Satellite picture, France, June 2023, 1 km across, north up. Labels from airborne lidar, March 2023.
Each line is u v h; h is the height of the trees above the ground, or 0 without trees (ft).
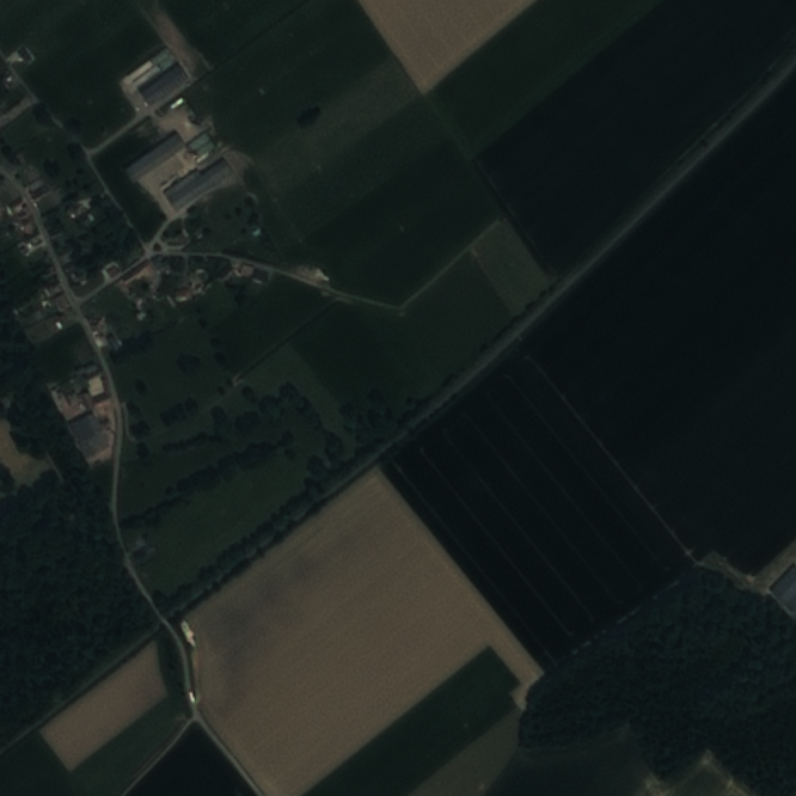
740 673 70
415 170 0
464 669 0
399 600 0
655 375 0
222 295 0
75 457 71
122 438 0
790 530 0
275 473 0
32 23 0
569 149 0
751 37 0
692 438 0
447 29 0
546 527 0
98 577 86
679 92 0
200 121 0
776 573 0
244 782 0
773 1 0
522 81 0
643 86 0
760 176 0
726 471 0
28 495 71
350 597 0
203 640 0
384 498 0
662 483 0
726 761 56
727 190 0
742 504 0
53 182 0
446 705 0
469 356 0
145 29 0
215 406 0
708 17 0
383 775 0
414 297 0
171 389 0
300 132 0
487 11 0
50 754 0
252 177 0
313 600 0
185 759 0
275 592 0
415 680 0
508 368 0
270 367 0
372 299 0
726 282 0
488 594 0
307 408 59
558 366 0
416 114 0
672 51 0
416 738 0
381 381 0
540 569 0
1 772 0
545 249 0
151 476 0
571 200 0
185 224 0
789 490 0
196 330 0
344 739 0
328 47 0
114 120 0
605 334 0
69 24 0
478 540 0
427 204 0
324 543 0
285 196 0
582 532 0
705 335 0
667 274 0
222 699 0
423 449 0
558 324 0
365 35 0
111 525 70
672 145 0
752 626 80
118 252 36
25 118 0
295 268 0
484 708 0
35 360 53
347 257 0
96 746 0
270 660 0
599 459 0
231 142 0
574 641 0
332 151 0
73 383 0
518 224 0
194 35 0
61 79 0
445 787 0
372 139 0
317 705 0
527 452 0
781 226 0
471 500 0
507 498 0
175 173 0
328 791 0
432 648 0
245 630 0
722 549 0
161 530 0
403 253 0
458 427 0
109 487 0
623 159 0
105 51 0
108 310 0
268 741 0
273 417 53
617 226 0
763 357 0
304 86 0
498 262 0
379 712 0
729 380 0
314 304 0
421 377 0
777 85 0
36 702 69
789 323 0
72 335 0
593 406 0
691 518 0
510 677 0
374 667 0
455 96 0
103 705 0
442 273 0
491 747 0
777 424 0
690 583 66
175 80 0
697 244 0
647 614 53
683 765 52
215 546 0
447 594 0
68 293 0
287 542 0
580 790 0
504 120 0
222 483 0
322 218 0
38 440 86
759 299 0
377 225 0
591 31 0
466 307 0
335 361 0
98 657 81
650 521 0
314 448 0
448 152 0
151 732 0
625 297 0
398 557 0
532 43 0
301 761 0
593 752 0
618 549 0
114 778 0
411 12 0
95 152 0
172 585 0
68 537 87
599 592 0
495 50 0
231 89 0
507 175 0
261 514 0
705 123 0
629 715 31
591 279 0
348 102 0
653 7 0
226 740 0
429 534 0
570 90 0
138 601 82
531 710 20
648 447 0
